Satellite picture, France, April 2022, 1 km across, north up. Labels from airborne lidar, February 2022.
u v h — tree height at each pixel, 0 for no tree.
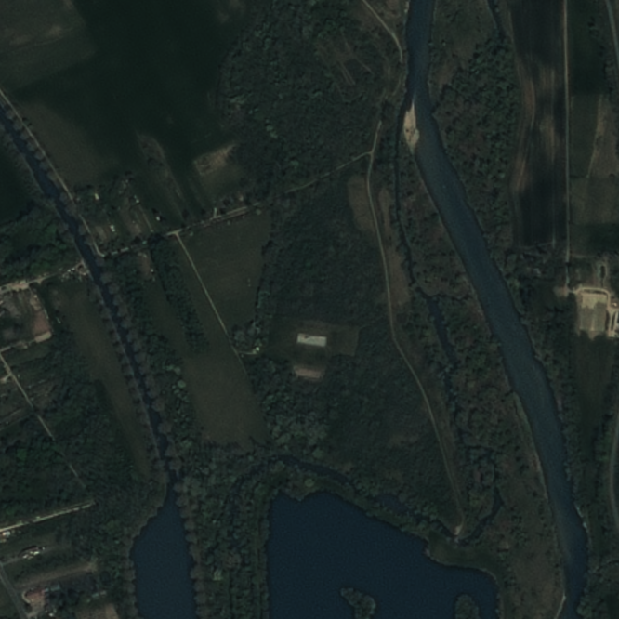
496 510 0
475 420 19
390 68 0
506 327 0
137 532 21
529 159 0
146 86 0
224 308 0
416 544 0
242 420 0
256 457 10
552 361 13
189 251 0
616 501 0
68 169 0
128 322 23
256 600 11
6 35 0
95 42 0
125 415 0
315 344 0
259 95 12
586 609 18
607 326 0
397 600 0
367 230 0
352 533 0
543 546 0
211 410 0
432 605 0
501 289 0
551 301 0
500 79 12
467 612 10
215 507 26
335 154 12
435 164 0
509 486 0
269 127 10
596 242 0
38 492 0
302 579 0
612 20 0
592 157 0
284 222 19
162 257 26
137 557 0
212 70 0
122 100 0
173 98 0
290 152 8
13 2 0
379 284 8
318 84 12
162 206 0
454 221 0
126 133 0
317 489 0
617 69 0
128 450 0
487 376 13
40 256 26
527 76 0
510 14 0
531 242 0
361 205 0
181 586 0
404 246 12
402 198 5
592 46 0
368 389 6
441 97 0
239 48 11
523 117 0
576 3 0
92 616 9
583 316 0
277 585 0
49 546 0
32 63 0
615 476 0
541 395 0
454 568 0
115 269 14
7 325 0
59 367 7
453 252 6
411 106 0
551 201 0
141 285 7
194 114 0
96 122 0
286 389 7
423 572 0
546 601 0
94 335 0
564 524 0
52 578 0
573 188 0
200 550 16
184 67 0
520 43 0
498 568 0
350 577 0
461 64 0
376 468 11
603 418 0
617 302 0
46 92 0
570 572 0
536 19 0
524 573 0
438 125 0
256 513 13
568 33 0
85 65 0
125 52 0
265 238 0
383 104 0
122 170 0
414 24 0
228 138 0
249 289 0
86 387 23
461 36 0
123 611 18
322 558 0
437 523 8
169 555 0
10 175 0
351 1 12
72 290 0
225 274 0
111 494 19
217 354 0
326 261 9
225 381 0
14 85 0
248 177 0
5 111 0
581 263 0
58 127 0
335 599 0
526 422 0
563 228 0
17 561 0
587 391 0
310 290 23
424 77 0
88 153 0
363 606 11
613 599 0
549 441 0
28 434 19
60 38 0
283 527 0
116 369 0
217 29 0
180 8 0
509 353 0
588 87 0
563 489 0
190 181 0
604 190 0
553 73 0
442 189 0
